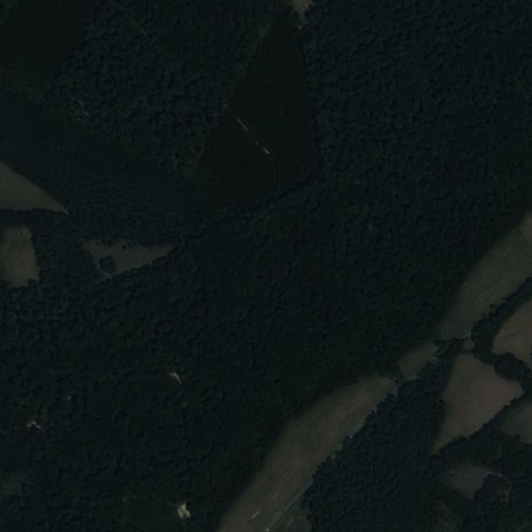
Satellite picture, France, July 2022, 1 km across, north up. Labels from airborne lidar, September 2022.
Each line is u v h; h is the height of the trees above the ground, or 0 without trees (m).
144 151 22
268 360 29
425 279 29
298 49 11
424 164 33
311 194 34
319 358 26
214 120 31
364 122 27
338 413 0
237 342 33
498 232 24
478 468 0
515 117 26
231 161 13
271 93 8
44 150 18
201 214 23
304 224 36
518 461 12
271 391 27
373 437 17
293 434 0
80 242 8
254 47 31
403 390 18
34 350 35
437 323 25
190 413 32
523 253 0
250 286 35
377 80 31
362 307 30
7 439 19
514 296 13
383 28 30
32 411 30
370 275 28
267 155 12
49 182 15
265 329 31
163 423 30
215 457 27
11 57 11
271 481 0
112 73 31
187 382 31
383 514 16
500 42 27
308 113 7
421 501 10
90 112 26
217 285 33
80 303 25
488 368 0
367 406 0
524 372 15
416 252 33
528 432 0
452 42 28
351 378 19
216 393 30
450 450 19
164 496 24
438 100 28
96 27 26
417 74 29
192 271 34
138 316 29
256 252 34
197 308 35
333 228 29
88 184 11
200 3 25
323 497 8
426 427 21
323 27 30
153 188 20
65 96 27
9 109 16
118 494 28
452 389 0
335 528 17
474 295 0
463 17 28
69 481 34
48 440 29
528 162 31
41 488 27
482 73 27
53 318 31
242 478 17
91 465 32
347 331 32
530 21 29
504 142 30
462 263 30
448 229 31
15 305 31
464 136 30
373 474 19
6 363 26
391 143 36
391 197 33
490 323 21
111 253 0
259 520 0
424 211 27
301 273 34
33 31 14
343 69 28
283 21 11
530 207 18
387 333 27
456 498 14
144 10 31
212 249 29
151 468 33
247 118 13
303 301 29
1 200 0
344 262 34
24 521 23
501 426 12
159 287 30
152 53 29
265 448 27
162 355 26
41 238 19
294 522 0
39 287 26
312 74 30
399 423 19
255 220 31
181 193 16
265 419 30
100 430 26
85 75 29
